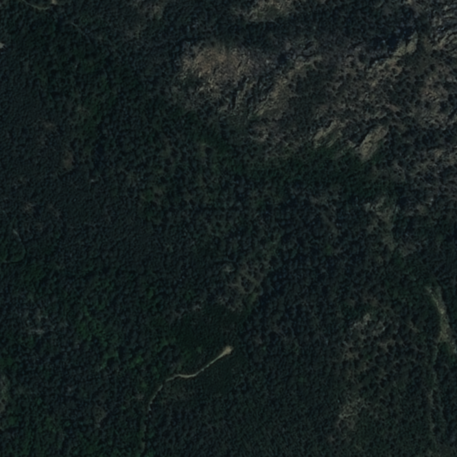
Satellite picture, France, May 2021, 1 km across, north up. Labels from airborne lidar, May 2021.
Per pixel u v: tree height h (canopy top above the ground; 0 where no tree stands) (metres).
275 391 24
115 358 26
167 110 12
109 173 30
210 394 10
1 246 36
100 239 17
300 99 19
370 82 20
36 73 18
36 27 36
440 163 12
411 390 17
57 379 23
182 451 13
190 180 10
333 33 26
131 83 14
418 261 11
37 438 30
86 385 29
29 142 27
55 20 27
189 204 23
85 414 24
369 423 15
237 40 19
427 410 19
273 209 35
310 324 16
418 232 15
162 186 16
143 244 20
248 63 10
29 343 19
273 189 24
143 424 32
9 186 22
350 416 13
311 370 10
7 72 22
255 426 18
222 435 15
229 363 6
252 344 24
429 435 11
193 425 23
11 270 30
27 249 34
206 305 14
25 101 26
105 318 24
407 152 26
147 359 23
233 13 14
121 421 23
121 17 23
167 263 27
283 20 21
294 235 20
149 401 10
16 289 13
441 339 7
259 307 12
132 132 28
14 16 35
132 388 19
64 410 26
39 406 20
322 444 10
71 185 24
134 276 25
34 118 26
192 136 10
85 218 20
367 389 26
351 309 16
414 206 17
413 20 15
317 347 22
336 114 17
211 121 26
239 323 13
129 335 17
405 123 25
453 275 21
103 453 20
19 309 18
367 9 29
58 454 25
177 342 12
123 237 18
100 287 15
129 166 26
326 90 14
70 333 23
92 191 21
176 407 7
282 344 21
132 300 24
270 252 7
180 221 15
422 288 17
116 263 29
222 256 10
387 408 11
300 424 19
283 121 18
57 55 35
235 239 32
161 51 23
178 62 9
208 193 9
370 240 21
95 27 28
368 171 15
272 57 14
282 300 33
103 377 23
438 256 13
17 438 18
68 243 24
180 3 26
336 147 15
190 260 19
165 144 40
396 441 17
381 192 14
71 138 30
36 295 21
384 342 18
